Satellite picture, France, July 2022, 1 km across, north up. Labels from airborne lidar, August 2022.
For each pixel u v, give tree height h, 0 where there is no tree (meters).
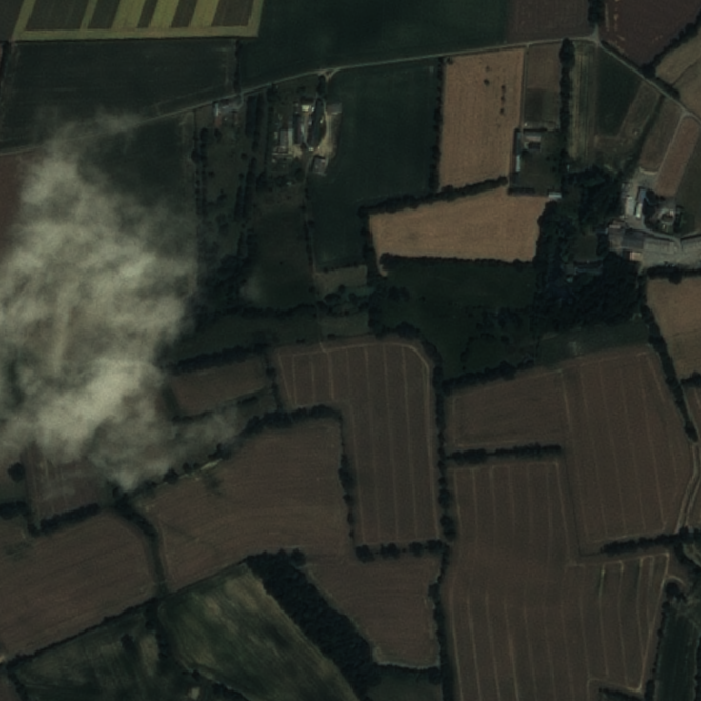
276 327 0
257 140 11
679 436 0
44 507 0
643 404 0
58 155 0
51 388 0
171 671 0
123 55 0
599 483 0
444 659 15
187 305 15
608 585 0
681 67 0
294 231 0
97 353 0
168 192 0
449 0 0
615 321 21
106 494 0
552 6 0
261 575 12
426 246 0
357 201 0
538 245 9
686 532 14
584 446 0
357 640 14
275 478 0
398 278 0
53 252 13
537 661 0
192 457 0
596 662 0
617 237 0
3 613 0
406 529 0
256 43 0
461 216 0
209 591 0
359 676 17
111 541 0
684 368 0
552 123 0
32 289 0
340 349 0
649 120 0
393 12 0
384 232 0
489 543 0
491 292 0
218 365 11
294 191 0
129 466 0
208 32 0
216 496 0
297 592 19
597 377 0
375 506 0
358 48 0
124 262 0
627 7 0
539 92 0
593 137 0
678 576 0
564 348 0
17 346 0
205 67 0
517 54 0
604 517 0
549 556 0
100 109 0
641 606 0
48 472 0
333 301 15
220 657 0
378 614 0
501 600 0
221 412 8
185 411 0
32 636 0
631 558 0
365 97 0
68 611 0
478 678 0
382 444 0
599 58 0
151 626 12
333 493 0
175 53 0
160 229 0
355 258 0
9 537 0
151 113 0
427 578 0
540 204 0
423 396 0
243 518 0
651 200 21
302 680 0
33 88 0
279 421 22
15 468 10
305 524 0
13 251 0
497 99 0
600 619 0
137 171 0
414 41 0
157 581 0
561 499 0
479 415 0
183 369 8
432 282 0
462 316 0
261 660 0
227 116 0
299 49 0
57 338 0
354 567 0
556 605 0
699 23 11
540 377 0
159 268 0
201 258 9
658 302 0
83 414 0
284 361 0
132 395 0
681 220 7
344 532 0
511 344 10
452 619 0
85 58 0
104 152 0
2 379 0
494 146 0
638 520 0
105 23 0
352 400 0
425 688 0
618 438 0
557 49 0
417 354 0
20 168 0
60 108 0
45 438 0
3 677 0
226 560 0
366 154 0
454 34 0
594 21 14
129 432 0
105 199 0
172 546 0
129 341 0
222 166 0
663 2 0
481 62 0
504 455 13
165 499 0
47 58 0
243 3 0
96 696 0
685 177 0
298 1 0
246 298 12
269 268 0
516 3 0
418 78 0
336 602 0
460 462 16
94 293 0
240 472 0
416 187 0
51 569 0
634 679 0
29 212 0
